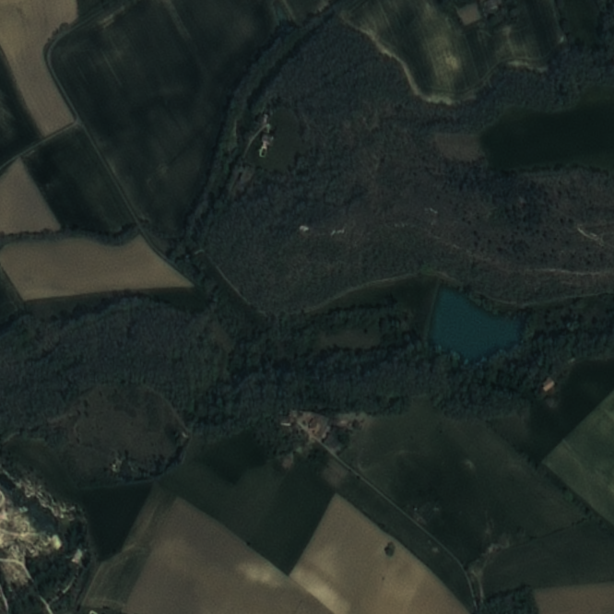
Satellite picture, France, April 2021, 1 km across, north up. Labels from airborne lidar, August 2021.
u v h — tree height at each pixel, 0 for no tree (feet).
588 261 20
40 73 0
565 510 0
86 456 0
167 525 0
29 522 0
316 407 0
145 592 0
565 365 40
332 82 48
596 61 48
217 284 85
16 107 0
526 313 45
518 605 67
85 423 0
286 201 45
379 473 0
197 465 0
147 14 0
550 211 19
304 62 82
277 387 86
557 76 67
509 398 65
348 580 0
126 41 0
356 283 66
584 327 46
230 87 0
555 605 0
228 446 0
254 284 57
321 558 0
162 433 0
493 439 0
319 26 35
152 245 0
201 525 0
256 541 0
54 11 0
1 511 0
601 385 0
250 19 0
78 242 0
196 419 78
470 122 50
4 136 0
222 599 0
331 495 0
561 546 0
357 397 69
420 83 0
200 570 0
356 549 0
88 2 0
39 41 0
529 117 0
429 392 44
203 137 0
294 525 0
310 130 64
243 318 50
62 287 0
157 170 0
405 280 0
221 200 29
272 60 67
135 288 0
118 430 0
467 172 27
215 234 73
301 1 0
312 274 60
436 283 0
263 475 0
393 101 26
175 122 0
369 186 22
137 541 0
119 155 0
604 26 65
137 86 0
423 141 19
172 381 66
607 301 31
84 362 57
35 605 60
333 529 0
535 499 0
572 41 41
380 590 0
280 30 33
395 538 0
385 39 0
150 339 68
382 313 50
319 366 75
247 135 62
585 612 0
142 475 30
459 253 32
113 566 0
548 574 0
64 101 0
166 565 0
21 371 60
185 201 0
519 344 30
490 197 40
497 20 32
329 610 0
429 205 0
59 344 40
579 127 0
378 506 0
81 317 57
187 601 0
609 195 19
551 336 49
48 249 0
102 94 0
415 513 0
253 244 67
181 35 0
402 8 0
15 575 0
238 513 0
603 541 0
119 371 55
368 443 0
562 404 0
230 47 0
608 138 0
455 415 43
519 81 63
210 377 61
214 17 0
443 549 0
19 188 0
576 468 0
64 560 19
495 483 0
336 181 42
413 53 0
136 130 0
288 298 64
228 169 50
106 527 0
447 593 0
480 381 45
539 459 0
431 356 26
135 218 0
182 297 0
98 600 0
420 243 43
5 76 0
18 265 0
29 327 49
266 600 0
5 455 50
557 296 54
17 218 0
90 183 0
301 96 55
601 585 0
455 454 0
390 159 28
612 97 0
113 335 60
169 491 0
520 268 28
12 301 0
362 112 37
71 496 0
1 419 44
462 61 0
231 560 0
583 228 0
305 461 19
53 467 0
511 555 0
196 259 97
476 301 77
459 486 0
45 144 0
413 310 0
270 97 56
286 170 0
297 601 0
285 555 0
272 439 53
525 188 25
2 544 0
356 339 0
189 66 0
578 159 0
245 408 89
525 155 0
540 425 0
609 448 0
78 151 0
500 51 0
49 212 0
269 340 28
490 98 61
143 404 0
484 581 0
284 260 43
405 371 82
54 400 74
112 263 0
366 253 30
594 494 0
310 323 21
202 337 18
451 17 0
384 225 28
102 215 0
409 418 0
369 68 56
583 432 0
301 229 0
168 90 0
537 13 0
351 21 0
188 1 0
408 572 0
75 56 0
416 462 0
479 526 0
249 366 48
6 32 0
